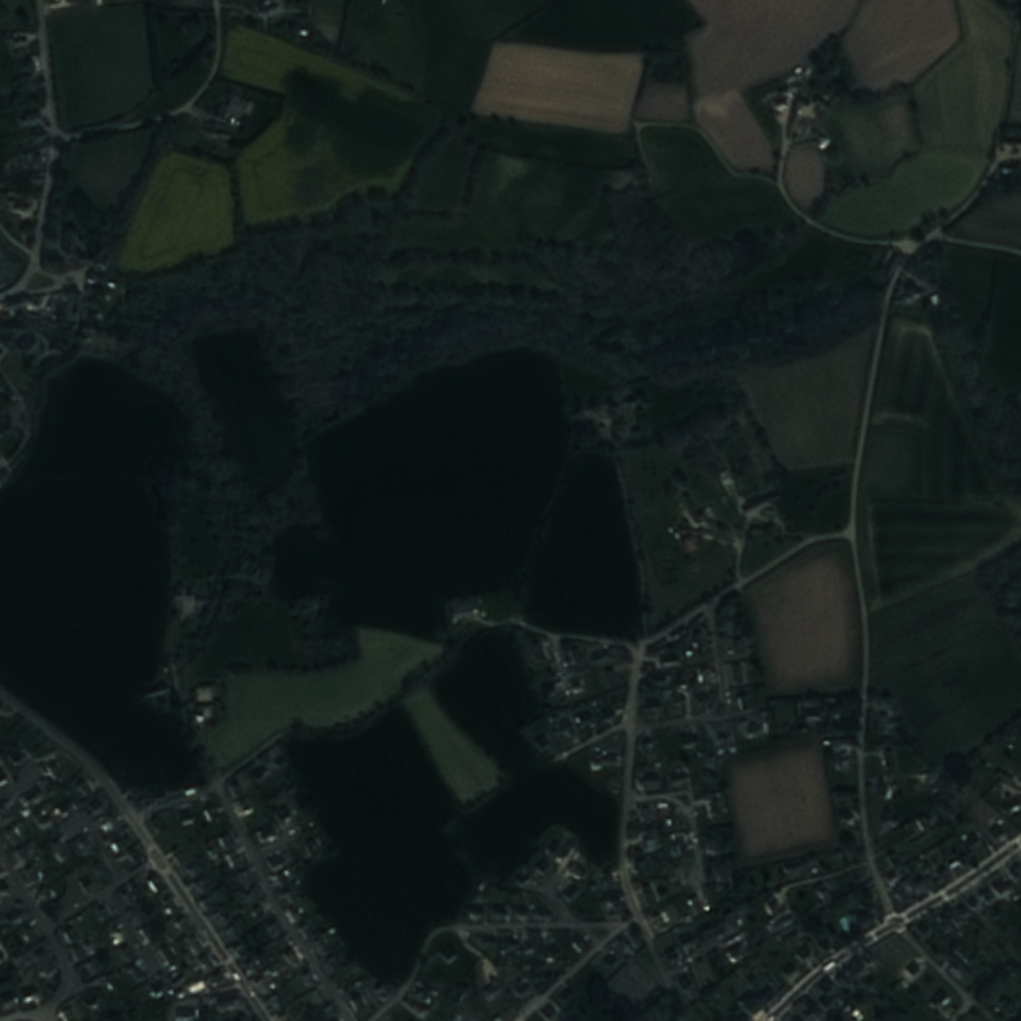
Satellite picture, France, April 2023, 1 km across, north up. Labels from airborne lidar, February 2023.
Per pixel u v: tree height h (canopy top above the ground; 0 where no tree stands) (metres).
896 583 0
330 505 0
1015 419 16
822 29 0
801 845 0
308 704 0
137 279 12
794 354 18
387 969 0
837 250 0
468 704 0
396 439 0
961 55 0
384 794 0
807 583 0
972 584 0
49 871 8
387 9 0
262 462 0
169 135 10
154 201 0
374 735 0
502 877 0
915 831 0
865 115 0
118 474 0
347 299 15
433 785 0
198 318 19
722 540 8
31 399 10
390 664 0
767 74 0
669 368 27
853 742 13
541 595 0
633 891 0
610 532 0
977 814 0
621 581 0
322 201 0
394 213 15
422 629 0
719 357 20
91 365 0
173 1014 0
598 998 26
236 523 16
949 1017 0
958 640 0
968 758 6
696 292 7
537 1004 0
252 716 0
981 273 0
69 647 0
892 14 0
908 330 0
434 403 0
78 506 0
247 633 0
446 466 0
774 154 6
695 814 0
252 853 0
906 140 0
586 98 0
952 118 0
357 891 0
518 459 0
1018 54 0
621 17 0
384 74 12
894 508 0
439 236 0
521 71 0
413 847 0
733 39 0
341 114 0
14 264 0
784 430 0
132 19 0
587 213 0
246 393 0
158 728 0
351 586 0
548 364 0
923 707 0
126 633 0
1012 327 0
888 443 0
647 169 8
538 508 0
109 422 0
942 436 0
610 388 15
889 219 0
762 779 0
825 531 0
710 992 10
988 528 0
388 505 0
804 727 7
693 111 0
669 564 0
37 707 0
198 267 18
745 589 0
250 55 0
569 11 0
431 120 0
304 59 0
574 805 0
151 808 0
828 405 0
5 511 0
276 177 0
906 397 0
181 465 0
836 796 9
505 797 0
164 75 7
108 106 0
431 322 8
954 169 0
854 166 0
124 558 0
